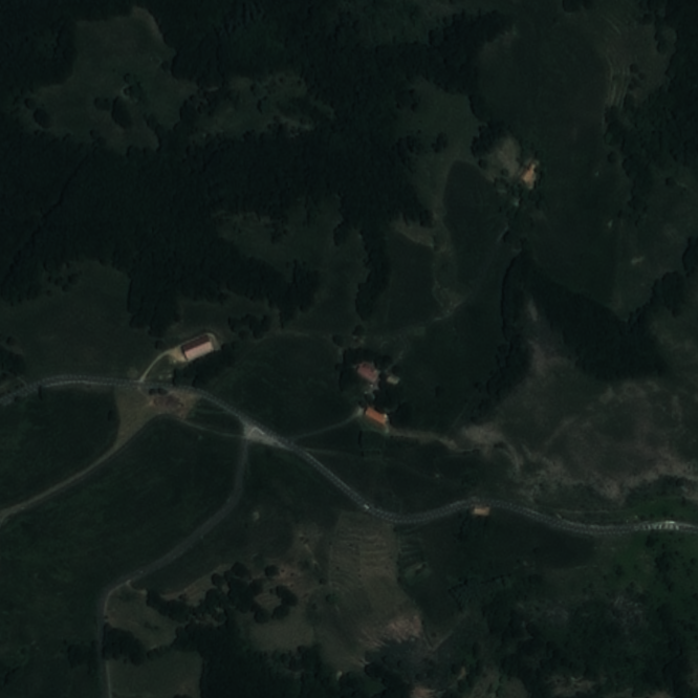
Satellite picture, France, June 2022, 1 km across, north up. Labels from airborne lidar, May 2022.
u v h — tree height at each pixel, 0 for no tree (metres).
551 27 0
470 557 0
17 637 0
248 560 0
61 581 0
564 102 0
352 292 0
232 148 18
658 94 10
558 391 0
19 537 0
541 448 0
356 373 10
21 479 0
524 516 0
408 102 9
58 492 0
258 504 0
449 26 7
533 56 0
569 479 0
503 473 0
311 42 26
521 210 13
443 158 0
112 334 0
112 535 0
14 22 27
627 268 0
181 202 22
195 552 0
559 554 0
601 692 15
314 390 0
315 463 0
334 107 17
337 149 18
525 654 9
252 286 16
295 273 7
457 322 0
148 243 17
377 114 26
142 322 13
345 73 25
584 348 13
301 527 0
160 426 0
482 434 0
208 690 12
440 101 0
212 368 17
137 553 0
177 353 0
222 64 26
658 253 0
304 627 0
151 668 0
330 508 0
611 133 13
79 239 15
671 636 10
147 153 15
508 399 0
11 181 20
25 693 0
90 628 0
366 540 0
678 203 0
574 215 0
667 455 0
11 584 0
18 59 23
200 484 0
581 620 6
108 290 0
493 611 16
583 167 0
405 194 15
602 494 0
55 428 0
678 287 10
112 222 14
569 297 18
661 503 0
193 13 14
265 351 0
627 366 14
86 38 0
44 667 0
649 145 18
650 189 10
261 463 0
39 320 0
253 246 0
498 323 0
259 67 17
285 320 9
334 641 0
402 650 0
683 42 13
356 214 18
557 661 11
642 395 0
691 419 0
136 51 0
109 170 23
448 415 0
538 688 16
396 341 0
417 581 0
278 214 17
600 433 0
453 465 0
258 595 14
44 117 16
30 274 18
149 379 0
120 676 0
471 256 0
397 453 0
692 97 26
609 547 0
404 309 0
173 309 15
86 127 0
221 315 0
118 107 18
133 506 0
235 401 0
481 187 0
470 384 0
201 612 17
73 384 0
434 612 0
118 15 12
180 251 20
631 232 0
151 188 23
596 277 0
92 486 0
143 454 0
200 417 0
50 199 19
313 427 0
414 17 8
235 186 21
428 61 27
